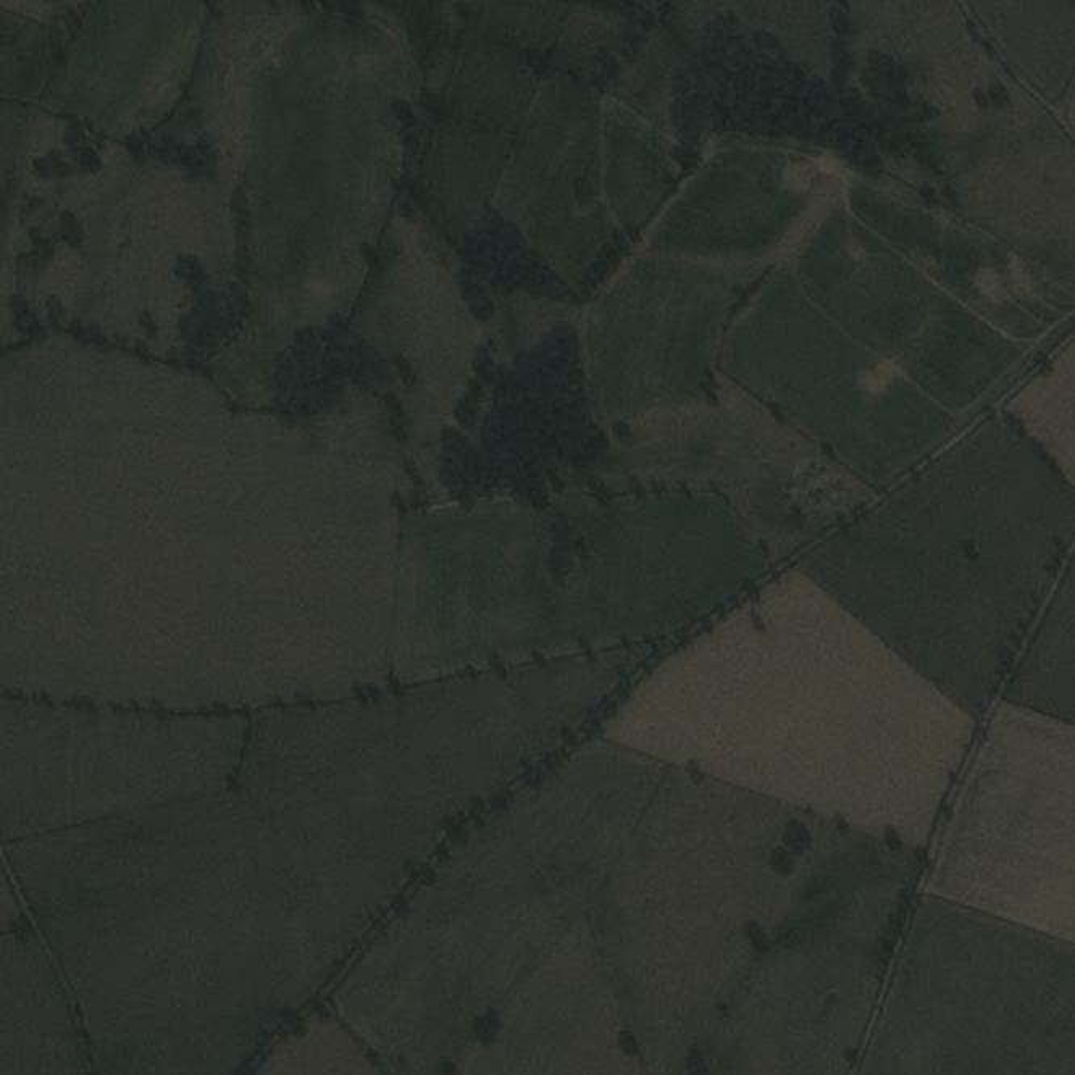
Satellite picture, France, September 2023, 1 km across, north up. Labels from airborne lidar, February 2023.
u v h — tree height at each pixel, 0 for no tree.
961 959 0
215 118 0
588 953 0
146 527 0
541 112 0
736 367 0
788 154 0
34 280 0
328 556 0
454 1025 0
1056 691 0
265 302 0
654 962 0
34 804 0
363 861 0
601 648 0
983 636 0
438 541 0
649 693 0
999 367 0
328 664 0
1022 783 0
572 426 19
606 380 0
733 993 0
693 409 0
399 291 0
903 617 0
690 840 0
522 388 19
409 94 0
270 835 0
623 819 0
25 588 0
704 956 0
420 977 0
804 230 0
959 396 0
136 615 0
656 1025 0
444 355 0
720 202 0
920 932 0
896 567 0
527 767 14
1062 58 0
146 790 0
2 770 0
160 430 0
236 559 0
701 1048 0
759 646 0
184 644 0
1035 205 0
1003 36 0
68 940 0
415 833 0
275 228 0
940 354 0
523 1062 0
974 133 0
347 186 0
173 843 0
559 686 0
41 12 0
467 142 0
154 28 0
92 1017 0
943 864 0
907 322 0
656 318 0
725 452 0
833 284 0
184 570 0
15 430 0
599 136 0
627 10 0
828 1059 0
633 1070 0
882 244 0
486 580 0
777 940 0
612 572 0
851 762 0
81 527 0
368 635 0
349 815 0
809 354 0
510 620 0
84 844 0
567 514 0
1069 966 0
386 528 0
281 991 0
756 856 0
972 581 0
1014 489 0
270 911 0
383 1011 0
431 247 0
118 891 0
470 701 0
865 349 0
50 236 0
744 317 0
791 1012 0
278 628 0
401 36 0
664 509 0
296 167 0
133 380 0
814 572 0
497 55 0
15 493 0
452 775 0
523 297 0
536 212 0
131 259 0
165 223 0
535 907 0
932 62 0
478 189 0
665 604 0
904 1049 0
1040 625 0
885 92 12
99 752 0
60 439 0
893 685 0
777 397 0
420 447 0
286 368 18
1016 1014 0
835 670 0
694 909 0
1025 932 0
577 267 0
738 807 0
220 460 0
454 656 0
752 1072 0
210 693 0
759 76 22
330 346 17
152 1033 0
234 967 0
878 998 0
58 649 0
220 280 0
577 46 0
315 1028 0
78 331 13
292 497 0
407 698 0
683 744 0
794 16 0
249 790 0
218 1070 0
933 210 0
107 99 0
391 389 0
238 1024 0
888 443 0
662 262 0
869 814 0
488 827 0
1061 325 0
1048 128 0
